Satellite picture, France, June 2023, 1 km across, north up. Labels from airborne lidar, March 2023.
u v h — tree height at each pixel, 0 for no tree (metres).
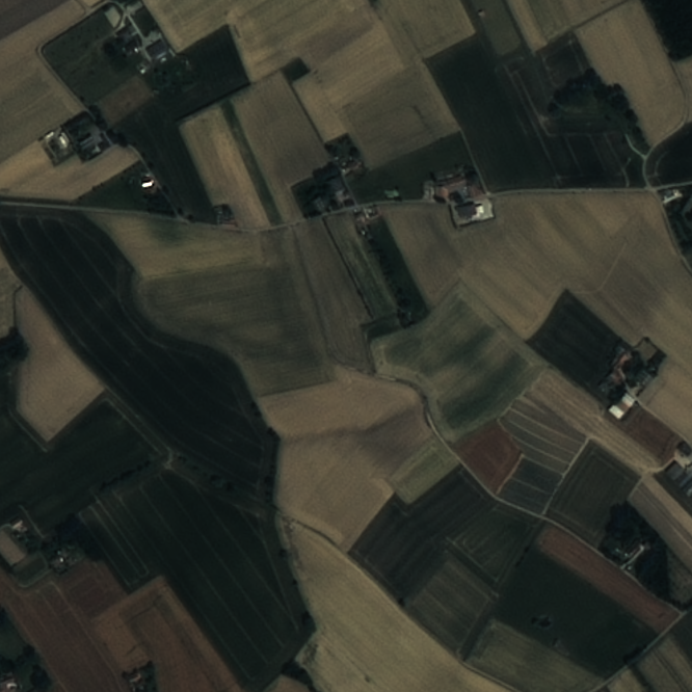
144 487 0
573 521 0
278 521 0
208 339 0
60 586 0
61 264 0
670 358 0
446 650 0
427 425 0
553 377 0
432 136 0
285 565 0
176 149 0
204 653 0
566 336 0
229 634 0
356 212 0
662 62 0
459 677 0
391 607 0
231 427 0
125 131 0
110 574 0
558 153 0
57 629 0
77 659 0
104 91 0
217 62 0
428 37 0
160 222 0
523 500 0
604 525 0
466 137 0
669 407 0
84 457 0
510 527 0
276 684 0
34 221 0
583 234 0
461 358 0
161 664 0
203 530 0
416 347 0
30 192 0
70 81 0
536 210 0
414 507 0
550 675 0
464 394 0
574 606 0
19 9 0
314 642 0
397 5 0
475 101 0
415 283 0
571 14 0
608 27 0
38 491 0
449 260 0
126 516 0
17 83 0
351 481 0
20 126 0
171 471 0
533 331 0
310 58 0
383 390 0
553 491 0
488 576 0
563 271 0
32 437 0
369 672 0
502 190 0
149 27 0
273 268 0
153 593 0
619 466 0
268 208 0
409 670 0
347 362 0
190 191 0
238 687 0
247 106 0
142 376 0
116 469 0
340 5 0
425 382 0
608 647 0
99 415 0
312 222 0
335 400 0
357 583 0
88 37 0
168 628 0
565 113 0
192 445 0
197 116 0
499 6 0
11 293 0
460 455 0
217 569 0
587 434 0
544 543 0
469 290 0
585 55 0
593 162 0
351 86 0
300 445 0
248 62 0
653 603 0
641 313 0
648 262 0
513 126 0
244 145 0
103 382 0
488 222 0
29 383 0
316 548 0
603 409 0
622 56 0
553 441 0
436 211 0
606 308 0
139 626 0
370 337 0
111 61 0
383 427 0
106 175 0
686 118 0
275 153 0
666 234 0
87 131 0
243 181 0
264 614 0
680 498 0
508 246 0
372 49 0
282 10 0
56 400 0
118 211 0
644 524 14
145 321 0
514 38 0
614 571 0
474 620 0
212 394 0
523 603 0
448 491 0
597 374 0
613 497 0
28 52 0
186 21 0
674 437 0
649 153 0
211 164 0
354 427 0
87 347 0
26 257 0
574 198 0
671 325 0
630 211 0
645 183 0
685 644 0
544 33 0
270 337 0
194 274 0
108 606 0
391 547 0
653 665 0
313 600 0
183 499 0
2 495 0
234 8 0
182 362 0
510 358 0
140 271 0
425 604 0
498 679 0
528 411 0
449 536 0
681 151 0
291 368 0
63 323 0
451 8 0
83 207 0
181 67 0
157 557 0
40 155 0
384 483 0
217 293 0
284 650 0
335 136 0
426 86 0
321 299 0
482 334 0
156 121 0
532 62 0
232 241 0
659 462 0
